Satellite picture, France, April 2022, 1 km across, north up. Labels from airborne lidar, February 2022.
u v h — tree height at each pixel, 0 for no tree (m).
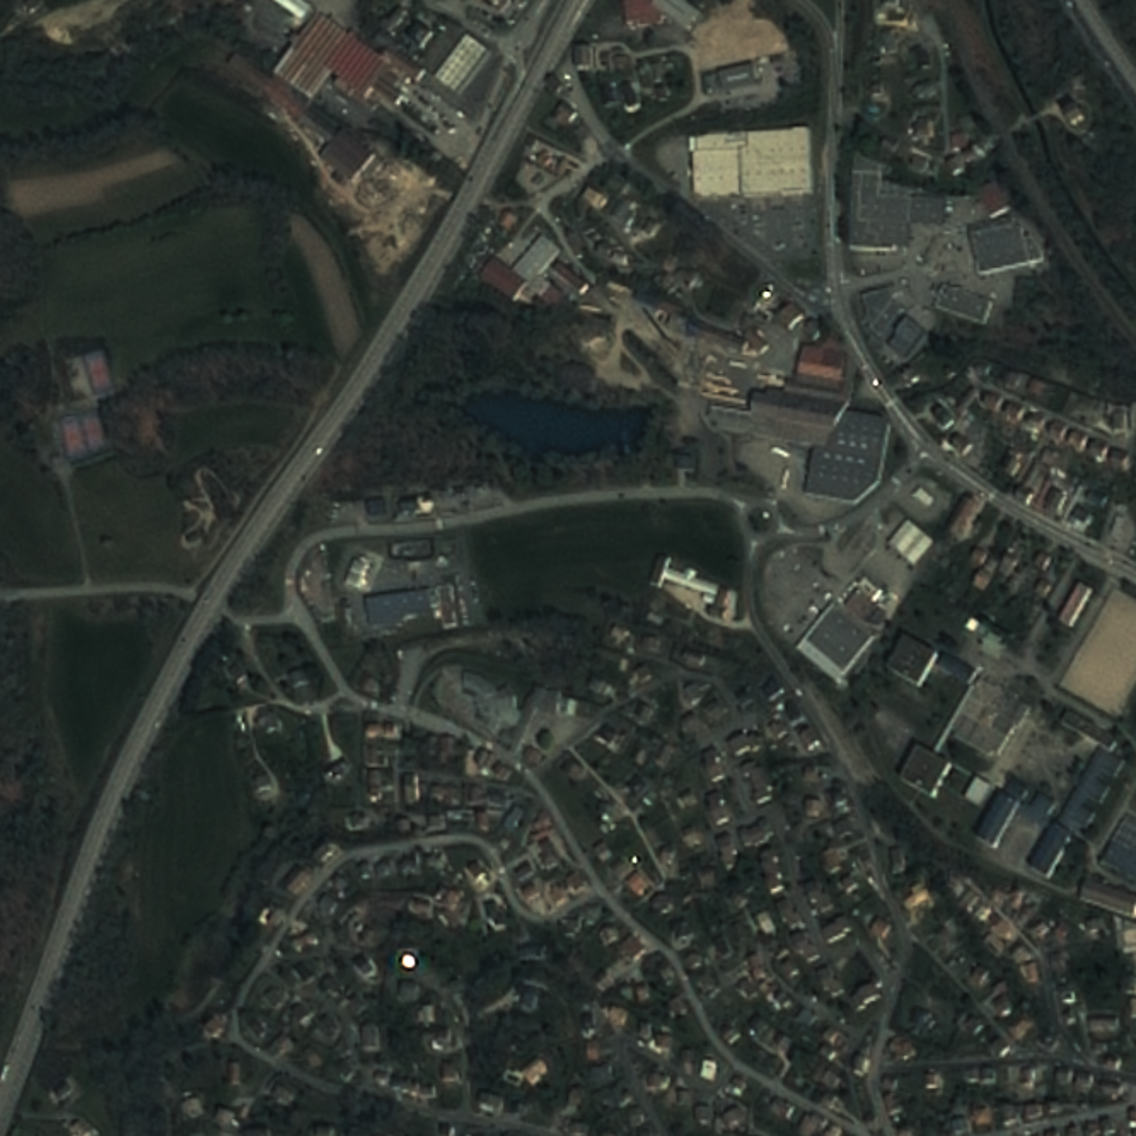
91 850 0
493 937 8
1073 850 15
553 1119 10
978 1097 7
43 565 0
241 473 0
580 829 0
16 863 7
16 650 13
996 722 0
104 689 0
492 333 26
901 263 0
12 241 17
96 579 0
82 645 0
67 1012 20
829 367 0
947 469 0
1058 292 8
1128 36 8
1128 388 19
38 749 9
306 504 0
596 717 0
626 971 0
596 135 0
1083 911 0
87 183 0
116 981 19
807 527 0
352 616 0
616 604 16
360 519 0
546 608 0
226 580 0
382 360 0
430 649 0
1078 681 0
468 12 0
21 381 15
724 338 0
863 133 19
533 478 14
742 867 12
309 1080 0
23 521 0
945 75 0
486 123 0
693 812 0
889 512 0
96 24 0
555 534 0
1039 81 8
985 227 0
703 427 0
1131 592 14
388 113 0
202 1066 9
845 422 0
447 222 0
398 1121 24
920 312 0
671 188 0
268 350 14
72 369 0
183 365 22
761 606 0
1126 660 0
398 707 0
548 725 0
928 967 0
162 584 0
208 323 0
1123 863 0
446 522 0
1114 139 15
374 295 0
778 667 0
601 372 0
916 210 0
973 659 0
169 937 0
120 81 23
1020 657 0
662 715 0
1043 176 13
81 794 0
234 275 0
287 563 0
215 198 7
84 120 0
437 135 0
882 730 0
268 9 0
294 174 0
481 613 0
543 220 0
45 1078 0
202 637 0
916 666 0
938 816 0
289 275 0
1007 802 0
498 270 0
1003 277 0
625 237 0
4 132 0
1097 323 20
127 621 0
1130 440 0
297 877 0
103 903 14
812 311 0
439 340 20
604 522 0
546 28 0
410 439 8
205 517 0
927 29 0
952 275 0
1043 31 7
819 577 0
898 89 0
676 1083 6
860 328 0
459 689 0
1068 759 0
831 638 0
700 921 0
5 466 0
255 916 15
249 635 0
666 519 0
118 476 0
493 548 0
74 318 0
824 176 0
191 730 0
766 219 0
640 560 0
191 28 23
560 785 0
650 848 0
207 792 0
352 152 0
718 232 31
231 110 0
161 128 22
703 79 0
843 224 8
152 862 0
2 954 21
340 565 0
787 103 13
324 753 0
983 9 16
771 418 0
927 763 0
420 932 12
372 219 0
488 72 0
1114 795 0
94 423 0
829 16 0
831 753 0
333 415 0
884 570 0
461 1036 0
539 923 0
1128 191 16
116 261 0
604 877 0
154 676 0
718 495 0
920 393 7
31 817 17
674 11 0
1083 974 8
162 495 0
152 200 0
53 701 0
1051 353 22
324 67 0
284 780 0
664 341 0
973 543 0
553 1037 13
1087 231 13
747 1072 0
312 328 0
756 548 0
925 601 0
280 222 13
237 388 26
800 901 0
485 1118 0
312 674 13
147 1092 30
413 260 0
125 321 0
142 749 0
